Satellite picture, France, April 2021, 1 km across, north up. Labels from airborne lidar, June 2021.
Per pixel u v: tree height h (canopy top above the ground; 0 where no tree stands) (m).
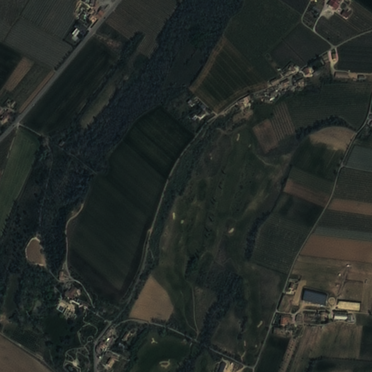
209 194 0
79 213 0
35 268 14
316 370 0
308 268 0
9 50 0
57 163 17
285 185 6
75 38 0
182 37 15
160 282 0
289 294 0
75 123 10
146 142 0
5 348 0
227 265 0
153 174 0
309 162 0
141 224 0
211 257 0
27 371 0
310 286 0
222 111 0
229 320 0
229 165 0
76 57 0
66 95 0
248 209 0
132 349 15
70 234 0
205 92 0
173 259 0
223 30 9
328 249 0
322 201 0
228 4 21
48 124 0
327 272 0
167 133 0
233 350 0
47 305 18
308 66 9
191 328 0
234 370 0
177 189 6
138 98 11
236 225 0
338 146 0
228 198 0
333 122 9
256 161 0
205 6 17
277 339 0
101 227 0
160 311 0
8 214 0
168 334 8
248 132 0
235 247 0
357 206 0
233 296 16
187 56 0
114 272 0
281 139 0
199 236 0
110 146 6
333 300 0
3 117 0
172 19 13
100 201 0
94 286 0
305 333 0
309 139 0
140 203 0
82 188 12
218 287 7
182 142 0
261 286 0
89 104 6
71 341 13
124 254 0
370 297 0
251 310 0
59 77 0
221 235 0
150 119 0
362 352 0
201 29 15
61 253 10
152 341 0
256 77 0
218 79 0
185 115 8
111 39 0
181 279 0
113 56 0
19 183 0
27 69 0
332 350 0
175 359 0
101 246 0
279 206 0
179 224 0
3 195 0
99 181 0
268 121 0
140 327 11
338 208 0
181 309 0
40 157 24
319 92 17
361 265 0
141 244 0
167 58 12
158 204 0
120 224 0
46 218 18
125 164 0
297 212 0
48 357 8
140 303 0
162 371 0
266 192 0
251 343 0
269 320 0
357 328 0
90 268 0
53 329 0
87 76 0
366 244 0
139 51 0
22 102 0
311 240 0
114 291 0
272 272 0
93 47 0
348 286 0
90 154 12
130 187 0
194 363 18
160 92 14
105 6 0
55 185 17
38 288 20
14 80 0
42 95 0
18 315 16
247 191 0
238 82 0
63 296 12
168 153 0
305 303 0
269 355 0
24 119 0
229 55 0
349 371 0
